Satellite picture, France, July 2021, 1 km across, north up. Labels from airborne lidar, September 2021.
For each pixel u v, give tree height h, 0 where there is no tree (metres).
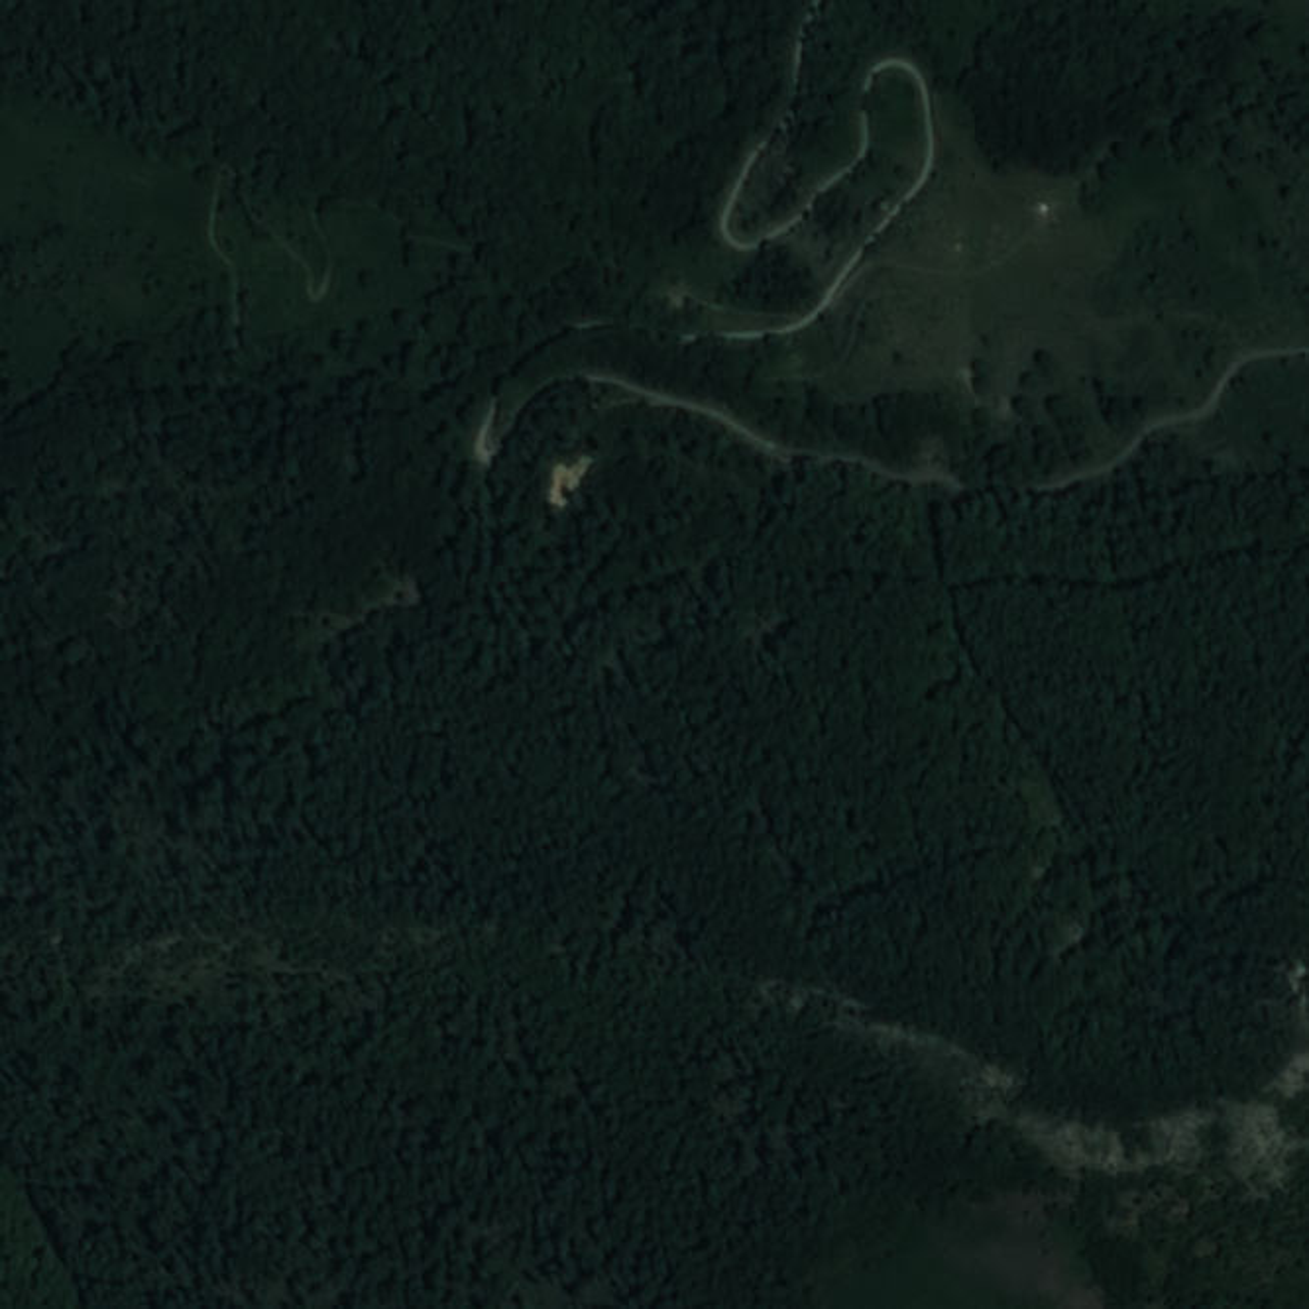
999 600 20
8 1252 28
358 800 26
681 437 10
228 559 22
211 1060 6
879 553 30
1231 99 8
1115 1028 13
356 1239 20
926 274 0
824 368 0
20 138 0
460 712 27
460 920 20
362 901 20
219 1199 27
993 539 24
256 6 30
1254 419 0
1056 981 18
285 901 14
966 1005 17
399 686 8
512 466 14
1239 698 27
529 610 11
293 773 26
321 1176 27
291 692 11
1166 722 25
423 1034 20
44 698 12
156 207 0
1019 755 21
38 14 29
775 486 7
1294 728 25
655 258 9
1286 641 22
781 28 11
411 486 24
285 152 19
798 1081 23
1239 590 24
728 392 19
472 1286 19
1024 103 22
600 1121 15
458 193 19
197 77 30
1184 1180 14
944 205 0
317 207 10
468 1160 29
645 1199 23
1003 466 13
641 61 19
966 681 25
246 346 8
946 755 26
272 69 24
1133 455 0
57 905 20
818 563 11
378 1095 30
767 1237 19
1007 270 0
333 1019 27
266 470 23
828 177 0
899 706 23
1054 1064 14
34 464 28
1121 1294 13
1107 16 12
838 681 29
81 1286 24
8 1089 26
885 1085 19
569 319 14
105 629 21
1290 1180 6
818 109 11
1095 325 0
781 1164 25
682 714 24
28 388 6
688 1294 24
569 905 21
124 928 16
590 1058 22
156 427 22
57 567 10
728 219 0
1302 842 23
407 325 15
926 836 20
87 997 23
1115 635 32
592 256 13
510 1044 25
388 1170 26
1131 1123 10
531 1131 26
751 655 26
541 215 20
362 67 27
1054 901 16
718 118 23
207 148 17
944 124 0
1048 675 24
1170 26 7
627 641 26
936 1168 21
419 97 25
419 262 17
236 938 11
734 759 26
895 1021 8
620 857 21
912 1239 0
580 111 21
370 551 18
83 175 0
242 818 27
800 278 11
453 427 17
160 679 24
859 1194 16
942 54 13
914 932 19
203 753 22
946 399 9
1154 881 20
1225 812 26
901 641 26
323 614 13
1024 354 0
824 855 20
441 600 21
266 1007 16
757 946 20
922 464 0
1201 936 13
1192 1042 11
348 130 26
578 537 12
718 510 12
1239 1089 9
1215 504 17
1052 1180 11
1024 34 12
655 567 25
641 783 26
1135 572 22
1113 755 20
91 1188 7
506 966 20
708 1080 22
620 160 17
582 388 13
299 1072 17
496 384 11
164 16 27
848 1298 0
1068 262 0
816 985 12
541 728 22
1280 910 9
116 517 18
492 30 28
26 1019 6
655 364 24
